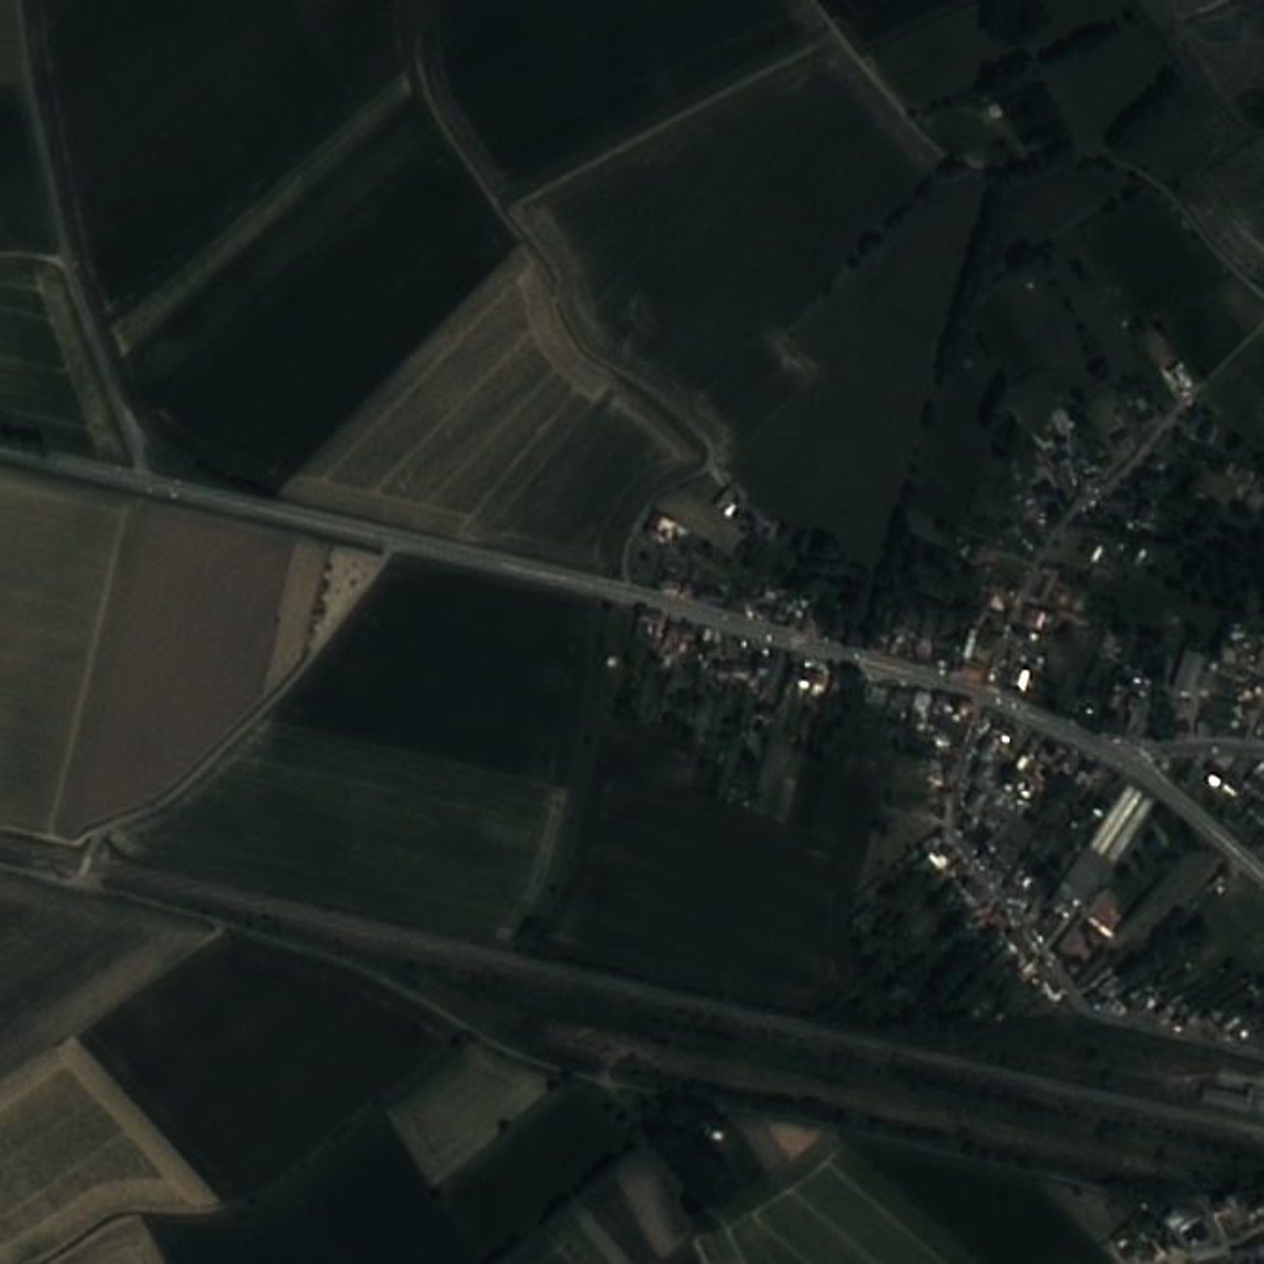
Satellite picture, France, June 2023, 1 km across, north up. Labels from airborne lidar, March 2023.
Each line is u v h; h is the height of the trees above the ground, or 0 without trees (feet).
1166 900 0
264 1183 0
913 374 0
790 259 0
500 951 0
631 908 0
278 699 0
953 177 35
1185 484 37
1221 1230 0
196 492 0
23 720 0
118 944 0
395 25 0
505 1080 0
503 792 0
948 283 0
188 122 0
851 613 26
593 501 0
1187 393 0
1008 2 86
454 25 0
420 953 0
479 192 0
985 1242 0
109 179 0
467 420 0
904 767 0
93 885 0
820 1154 0
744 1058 0
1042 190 0
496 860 0
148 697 0
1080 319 0
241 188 0
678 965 0
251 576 0
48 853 0
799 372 0
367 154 0
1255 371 0
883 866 28
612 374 0
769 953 0
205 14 0
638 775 0
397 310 0
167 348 0
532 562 0
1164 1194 34
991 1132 0
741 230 0
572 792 0
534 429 0
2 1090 0
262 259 0
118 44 0
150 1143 0
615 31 0
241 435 0
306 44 0
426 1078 0
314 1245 0
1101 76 0
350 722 0
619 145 0
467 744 0
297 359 0
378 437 0
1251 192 0
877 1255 0
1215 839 0
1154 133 0
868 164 0
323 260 0
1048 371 0
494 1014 0
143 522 0
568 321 0
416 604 0
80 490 0
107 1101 0
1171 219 0
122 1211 0
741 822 0
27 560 0
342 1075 0
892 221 27
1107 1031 0
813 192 0
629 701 23
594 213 0
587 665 0
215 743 0
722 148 0
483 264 0
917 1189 0
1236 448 42
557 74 0
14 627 0
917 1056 0
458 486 0
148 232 0
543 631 0
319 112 0
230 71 0
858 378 0
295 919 0
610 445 0
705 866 0
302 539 0
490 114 0
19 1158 0
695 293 0
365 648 0
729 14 0
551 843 0
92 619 0
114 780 0
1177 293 0
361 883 0
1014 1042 0
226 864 0
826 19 0
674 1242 0
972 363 0
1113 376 48
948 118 0
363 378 0
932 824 0
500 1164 0
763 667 0
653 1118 26
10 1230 0
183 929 0
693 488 0
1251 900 0
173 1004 0
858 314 0
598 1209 0
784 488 0
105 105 0
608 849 0
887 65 0
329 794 0
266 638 0
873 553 0
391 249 0
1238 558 91
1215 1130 0
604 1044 0
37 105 0
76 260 0
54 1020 0
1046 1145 0
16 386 0
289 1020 0
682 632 0
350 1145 0
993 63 0
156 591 0
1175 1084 0
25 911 0
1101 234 0
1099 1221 0
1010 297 0
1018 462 0
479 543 0
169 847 0
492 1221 0
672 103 0
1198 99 0
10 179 0
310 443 0
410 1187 0
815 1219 0
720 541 0
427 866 0
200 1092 0
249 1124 0
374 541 0
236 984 0
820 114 0
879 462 0
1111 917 0
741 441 0
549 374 0
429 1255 0
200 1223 0
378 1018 0
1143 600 0
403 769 0
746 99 0
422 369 0
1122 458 0
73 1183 0
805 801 0
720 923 0
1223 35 0
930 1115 0
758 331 0
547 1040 0
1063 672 0
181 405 0
